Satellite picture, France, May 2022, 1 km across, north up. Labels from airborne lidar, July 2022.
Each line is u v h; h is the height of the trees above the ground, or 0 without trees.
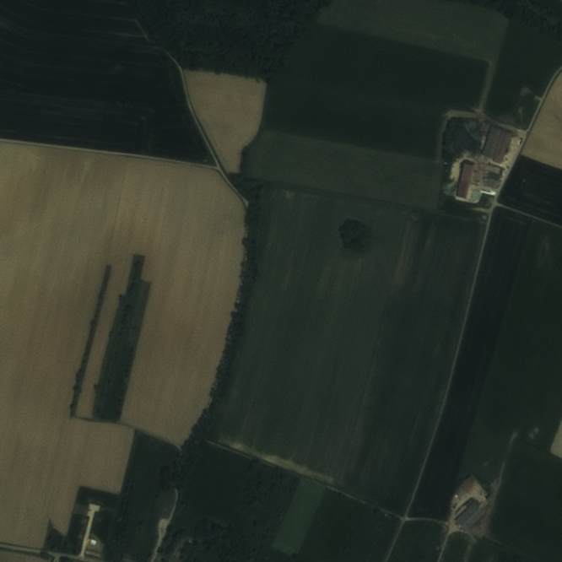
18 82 0
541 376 0
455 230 0
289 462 0
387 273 0
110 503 0
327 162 0
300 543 0
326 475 0
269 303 0
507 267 0
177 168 0
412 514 0
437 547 0
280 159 0
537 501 0
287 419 0
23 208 0
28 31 0
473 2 22
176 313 0
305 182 0
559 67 0
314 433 0
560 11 0
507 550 0
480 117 0
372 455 0
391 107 0
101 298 6
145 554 0
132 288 8
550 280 0
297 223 0
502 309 0
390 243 0
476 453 0
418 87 0
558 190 0
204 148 0
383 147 0
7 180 0
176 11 26
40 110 0
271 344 0
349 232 19
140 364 0
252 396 0
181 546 0
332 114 0
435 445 0
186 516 0
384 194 0
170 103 0
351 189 0
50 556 11
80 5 0
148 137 0
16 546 0
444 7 0
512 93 0
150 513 0
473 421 0
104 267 0
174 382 0
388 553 0
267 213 0
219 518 0
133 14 0
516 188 0
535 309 0
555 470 0
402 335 0
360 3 0
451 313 0
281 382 0
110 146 0
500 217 0
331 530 0
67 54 0
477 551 0
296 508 0
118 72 0
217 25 24
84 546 0
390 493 0
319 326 0
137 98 0
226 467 0
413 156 0
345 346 0
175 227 0
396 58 0
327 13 0
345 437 0
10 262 0
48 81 0
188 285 0
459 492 0
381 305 0
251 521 0
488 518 0
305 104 0
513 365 0
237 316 18
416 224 0
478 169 0
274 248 0
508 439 0
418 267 0
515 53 0
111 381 10
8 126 0
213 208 0
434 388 0
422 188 0
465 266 0
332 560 0
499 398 0
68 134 0
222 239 0
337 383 0
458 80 0
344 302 0
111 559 0
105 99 0
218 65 25
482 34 0
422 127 0
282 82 0
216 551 22
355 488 0
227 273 0
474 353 0
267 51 23
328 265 0
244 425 0
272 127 0
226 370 22
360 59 0
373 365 0
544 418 0
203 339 0
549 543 0
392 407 0
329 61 0
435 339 0
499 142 0
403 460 0
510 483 0
